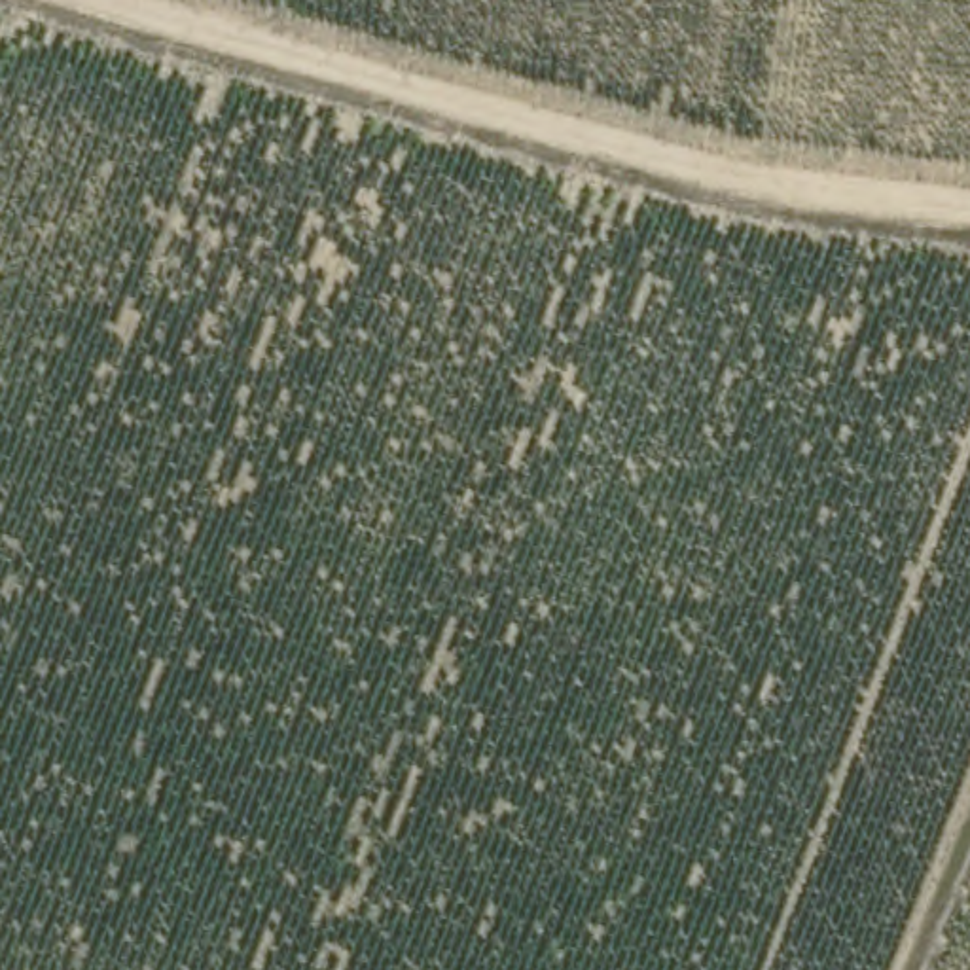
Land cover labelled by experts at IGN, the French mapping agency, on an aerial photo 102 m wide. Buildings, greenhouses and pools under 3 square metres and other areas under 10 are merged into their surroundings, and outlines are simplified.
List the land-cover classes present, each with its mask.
<instances>
[{"label":"vineyard","instance_id":"1","mask_svg":"<svg viewBox=\"0 0 970 970\"><path fill-rule=\"evenodd\" d=\"M0 970H970V227H932L913 220L788 208L762 197L705 189L602 155L565 152L542 140L455 121L447 114L417 110L318 76L284 72L261 61L216 53L167 34L83 15L49 0H0ZM243 8H292L296 15L322 19L345 30H364L379 42L413 45L443 61L485 64L493 72L523 76L534 83L572 87L584 99H610L633 110L652 106L663 117L671 114L693 125H712L743 140L762 136L807 148H864L898 159L970 163V0H239Z\"/></svg>","mask_w":970,"mask_h":970},{"label":"pervious surface","instance_id":"2","mask_svg":"<svg viewBox=\"0 0 970 970\"><path fill-rule=\"evenodd\" d=\"M83 15L167 34L216 53L261 61L284 72L318 76L417 110L447 114L455 121L542 140L565 152L602 155L705 189L762 197L788 208L913 220L932 227H970V163L898 159L864 148H807L762 136L743 140L712 125H693L671 114L663 117L652 106L633 110L610 99H584L572 87L534 83L523 76L493 72L485 64L443 61L413 45L379 42L364 30H345L322 19L296 15L292 8H243L239 0H49Z\"/></svg>","mask_w":970,"mask_h":970}]
</instances>
